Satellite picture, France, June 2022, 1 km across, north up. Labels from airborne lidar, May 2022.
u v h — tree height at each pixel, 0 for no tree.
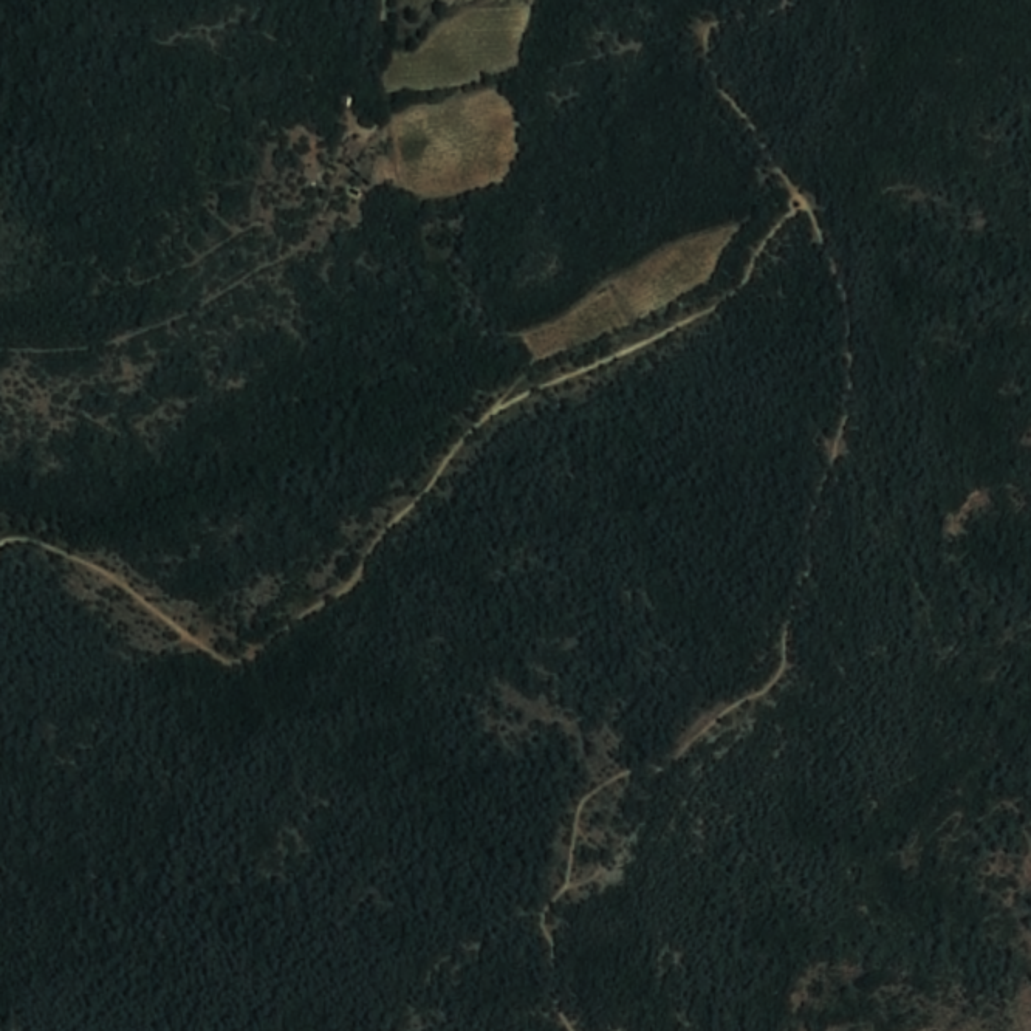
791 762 6
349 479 12
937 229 22
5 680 20
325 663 11
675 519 10
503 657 8
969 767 6
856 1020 12
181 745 18
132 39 10
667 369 13
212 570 8
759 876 7
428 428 15
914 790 10
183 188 8
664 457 9
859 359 12
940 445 18
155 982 16
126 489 6
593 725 7
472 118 0
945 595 16
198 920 19
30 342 7
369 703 10
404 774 10
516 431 20
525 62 7
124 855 10
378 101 11
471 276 15
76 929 12
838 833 12
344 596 7
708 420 17
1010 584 12
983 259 15
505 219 8
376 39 10
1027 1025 0
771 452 8
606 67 7
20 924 7
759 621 8
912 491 21
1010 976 16
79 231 7
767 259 8
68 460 5
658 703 17
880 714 21
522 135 14
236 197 7
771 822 19
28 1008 21
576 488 10
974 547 11
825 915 17
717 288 7
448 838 14
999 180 7
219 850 18
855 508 19
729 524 8
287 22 9
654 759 17
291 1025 8
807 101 16
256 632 12
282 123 11
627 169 7
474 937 14
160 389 8
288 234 8
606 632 9
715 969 22
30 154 19
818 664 7
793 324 8
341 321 6
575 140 13
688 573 9
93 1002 20
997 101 9
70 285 7
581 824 0
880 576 16
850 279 13
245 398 7
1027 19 8
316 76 11
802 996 39
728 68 15
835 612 6
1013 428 10
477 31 0
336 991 17
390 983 17
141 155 6
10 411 0
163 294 6
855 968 8
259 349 6
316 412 6
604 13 6
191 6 8
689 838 14
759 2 14
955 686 7
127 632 6
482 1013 17
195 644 0
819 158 17
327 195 15
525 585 15
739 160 16
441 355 15
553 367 6
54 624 15
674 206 10
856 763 21
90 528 16
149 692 17
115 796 7
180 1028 15
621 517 10
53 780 8
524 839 17
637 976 7
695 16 6
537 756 16
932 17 11
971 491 14
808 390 8
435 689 9
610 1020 9
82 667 19
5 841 6
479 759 14
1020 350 11
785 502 17
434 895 8
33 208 14
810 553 16
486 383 12
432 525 19
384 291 7
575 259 8
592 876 0
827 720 8
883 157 14
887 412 15
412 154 0
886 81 11
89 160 7
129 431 7
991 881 5
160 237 10
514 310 9
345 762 12
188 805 9
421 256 13
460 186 0
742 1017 6
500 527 7
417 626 8
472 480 11
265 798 16
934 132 13
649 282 0
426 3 0
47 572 16
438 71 0
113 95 8
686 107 8
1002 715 26
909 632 13
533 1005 7
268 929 15
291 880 11
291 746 16
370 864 16
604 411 15
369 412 15
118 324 9
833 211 12
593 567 14
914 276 8
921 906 8
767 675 7
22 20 9
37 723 15
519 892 15
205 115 14
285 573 7
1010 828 23
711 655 15
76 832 8
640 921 17
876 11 9
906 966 16
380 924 7
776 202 10
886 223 12
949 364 9
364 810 13
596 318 0
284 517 18
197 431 6
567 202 17
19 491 7
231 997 15
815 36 17
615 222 7
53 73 8
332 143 10
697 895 10
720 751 13
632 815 10
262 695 12
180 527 7
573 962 15
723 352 17
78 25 8
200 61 9
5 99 19
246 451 6
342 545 9
